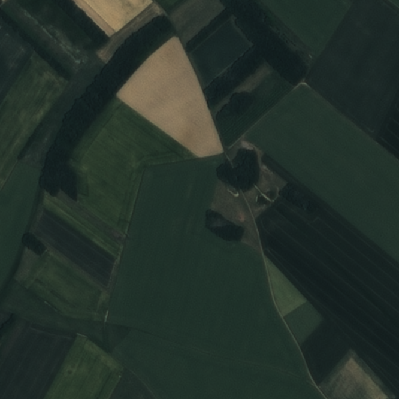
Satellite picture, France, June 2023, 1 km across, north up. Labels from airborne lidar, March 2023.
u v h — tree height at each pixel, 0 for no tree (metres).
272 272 0
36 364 0
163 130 0
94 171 0
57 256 0
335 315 0
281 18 0
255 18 18
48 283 0
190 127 0
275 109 0
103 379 0
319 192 0
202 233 0
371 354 0
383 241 0
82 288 0
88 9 0
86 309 0
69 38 0
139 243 0
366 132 0
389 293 0
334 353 0
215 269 0
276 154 0
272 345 0
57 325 0
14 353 0
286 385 0
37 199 0
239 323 0
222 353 0
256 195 0
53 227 0
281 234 0
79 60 0
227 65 0
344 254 0
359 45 0
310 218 0
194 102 0
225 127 6
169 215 0
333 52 0
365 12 0
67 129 7
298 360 0
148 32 17
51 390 0
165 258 0
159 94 0
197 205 0
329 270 0
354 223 0
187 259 0
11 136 0
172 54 0
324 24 0
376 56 0
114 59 13
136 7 0
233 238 13
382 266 0
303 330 0
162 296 0
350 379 0
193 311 0
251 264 0
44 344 0
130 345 0
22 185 0
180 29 0
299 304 0
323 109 0
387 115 0
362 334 0
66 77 5
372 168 0
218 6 0
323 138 0
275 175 0
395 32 0
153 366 0
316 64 0
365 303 0
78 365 0
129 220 0
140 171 0
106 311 0
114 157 0
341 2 0
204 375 0
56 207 0
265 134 0
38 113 0
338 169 0
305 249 0
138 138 0
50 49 0
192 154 0
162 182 0
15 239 0
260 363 0
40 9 0
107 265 0
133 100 0
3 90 0
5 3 0
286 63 19
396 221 0
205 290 0
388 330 0
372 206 0
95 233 0
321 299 0
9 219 0
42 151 0
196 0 0
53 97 0
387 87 0
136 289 0
